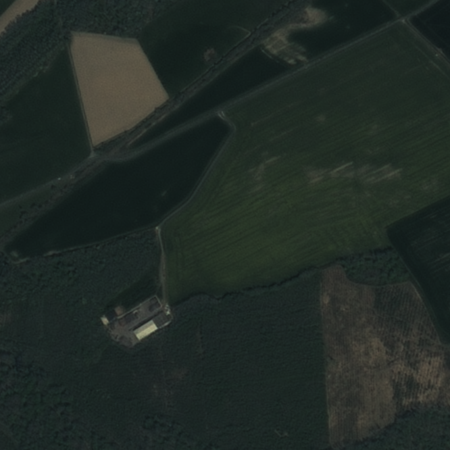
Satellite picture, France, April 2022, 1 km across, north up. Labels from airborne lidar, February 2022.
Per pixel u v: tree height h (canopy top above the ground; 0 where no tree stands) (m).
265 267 0
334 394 0
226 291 0
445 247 0
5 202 0
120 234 0
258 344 12
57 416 24
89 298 21
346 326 0
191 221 0
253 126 0
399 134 0
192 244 0
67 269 20
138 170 0
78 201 0
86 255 14
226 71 0
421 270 0
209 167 0
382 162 0
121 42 0
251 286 0
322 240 0
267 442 10
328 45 0
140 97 0
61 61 0
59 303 10
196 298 17
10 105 0
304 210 0
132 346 0
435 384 0
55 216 0
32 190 0
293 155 0
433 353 0
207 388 8
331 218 0
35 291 7
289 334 13
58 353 11
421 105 0
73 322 9
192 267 0
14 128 0
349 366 0
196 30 0
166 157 0
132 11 7
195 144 0
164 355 7
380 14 0
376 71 0
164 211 0
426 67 0
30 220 13
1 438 9
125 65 0
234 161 0
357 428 0
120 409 9
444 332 0
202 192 0
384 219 0
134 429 10
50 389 26
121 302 0
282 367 12
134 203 0
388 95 0
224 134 0
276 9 0
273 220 0
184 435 23
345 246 0
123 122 0
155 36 0
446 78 0
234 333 14
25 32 25
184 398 8
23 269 16
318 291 10
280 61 0
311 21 0
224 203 0
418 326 0
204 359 8
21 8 0
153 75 0
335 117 0
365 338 0
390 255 22
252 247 0
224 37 0
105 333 17
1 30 0
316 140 0
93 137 0
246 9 0
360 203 0
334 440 0
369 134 0
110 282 20
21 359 28
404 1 0
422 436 26
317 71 0
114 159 0
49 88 0
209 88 0
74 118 0
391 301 0
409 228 0
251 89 0
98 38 0
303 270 0
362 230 0
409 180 0
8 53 23
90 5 22
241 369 12
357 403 0
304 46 0
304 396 10
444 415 28
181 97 14
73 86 0
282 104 0
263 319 12
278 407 9
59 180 0
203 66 0
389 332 0
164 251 0
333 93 0
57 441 23
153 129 0
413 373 0
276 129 0
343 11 0
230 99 0
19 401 28
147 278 0
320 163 0
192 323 13
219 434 10
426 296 0
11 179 0
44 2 15
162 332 14
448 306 0
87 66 0
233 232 0
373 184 0
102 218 0
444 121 0
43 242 0
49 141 0
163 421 21
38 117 0
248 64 0
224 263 0
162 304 0
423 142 0
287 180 0
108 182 0
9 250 0
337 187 0
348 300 0
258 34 9
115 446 18
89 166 0
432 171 0
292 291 15
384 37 0
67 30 18
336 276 0
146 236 11
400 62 0
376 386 0
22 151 0
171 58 0
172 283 0
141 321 0
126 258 14
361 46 0
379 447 29
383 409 0
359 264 16
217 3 0
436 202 0
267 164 0
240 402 9
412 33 0
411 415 12
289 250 0
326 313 0
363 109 0
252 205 0
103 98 0
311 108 0
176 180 0
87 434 25
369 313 0
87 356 11
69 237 0
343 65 0
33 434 24
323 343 10
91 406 7
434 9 0
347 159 0
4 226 0
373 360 0
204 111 0
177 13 0
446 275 0
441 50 0
